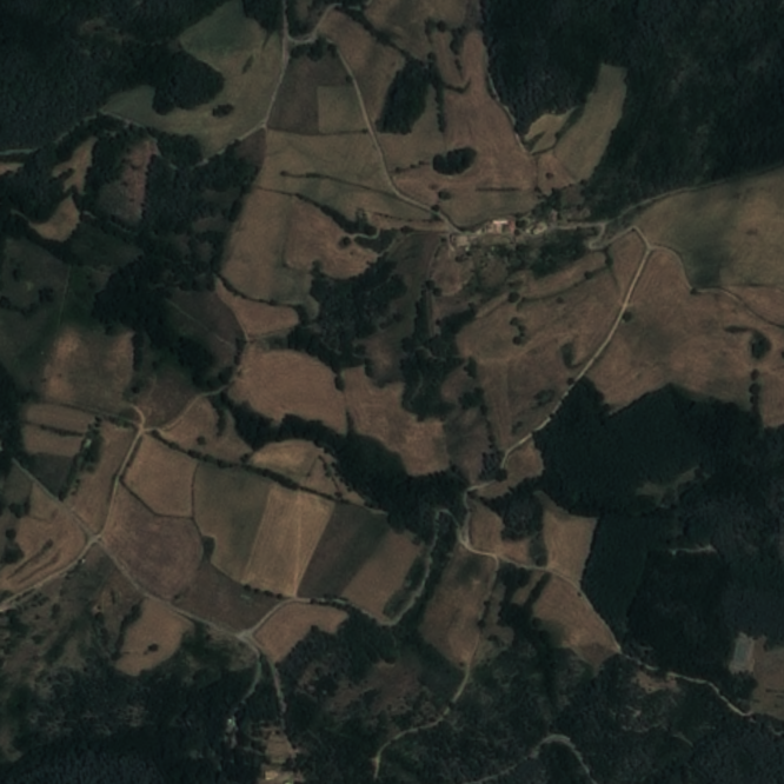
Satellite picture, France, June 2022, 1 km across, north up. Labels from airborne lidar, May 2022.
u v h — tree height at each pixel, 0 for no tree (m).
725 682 12
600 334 0
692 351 0
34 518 0
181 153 13
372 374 8
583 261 0
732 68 6
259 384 0
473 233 0
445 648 0
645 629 19
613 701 10
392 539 0
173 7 15
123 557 0
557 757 12
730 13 7
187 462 0
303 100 0
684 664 12
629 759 13
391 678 0
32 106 18
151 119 0
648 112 8
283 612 0
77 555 0
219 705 7
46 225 0
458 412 0
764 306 0
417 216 0
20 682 0
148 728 12
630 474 21
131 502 0
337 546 0
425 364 10
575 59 13
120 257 0
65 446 0
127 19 19
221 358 0
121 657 9
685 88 9
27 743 12
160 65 14
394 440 0
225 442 0
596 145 0
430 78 11
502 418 0
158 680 7
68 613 0
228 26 0
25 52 13
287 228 0
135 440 0
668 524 20
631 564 21
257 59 0
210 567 0
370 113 0
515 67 13
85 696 8
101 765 23
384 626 7
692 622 17
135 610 8
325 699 5
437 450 0
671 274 0
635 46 16
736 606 15
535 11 13
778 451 15
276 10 6
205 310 0
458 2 0
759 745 17
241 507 0
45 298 12
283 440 10
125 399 0
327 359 10
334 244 0
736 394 0
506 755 10
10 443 10
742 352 0
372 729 12
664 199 0
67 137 8
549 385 0
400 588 0
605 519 18
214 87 12
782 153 7
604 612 18
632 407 15
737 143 9
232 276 0
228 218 8
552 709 8
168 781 13
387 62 0
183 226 9
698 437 22
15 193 14
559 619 0
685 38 7
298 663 14
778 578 18
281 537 0
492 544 0
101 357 0
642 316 0
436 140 0
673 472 15
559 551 0
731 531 10
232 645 0
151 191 18
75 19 18
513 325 8
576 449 21
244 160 9
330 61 0
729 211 0
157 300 16
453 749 11
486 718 13
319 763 10
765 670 0
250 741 9
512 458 0
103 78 11
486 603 8
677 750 7
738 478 13
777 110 13
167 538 0
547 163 0
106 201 0
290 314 0
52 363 0
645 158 7
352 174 0
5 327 0
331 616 0
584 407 16
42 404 0
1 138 17
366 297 9
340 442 18
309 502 0
